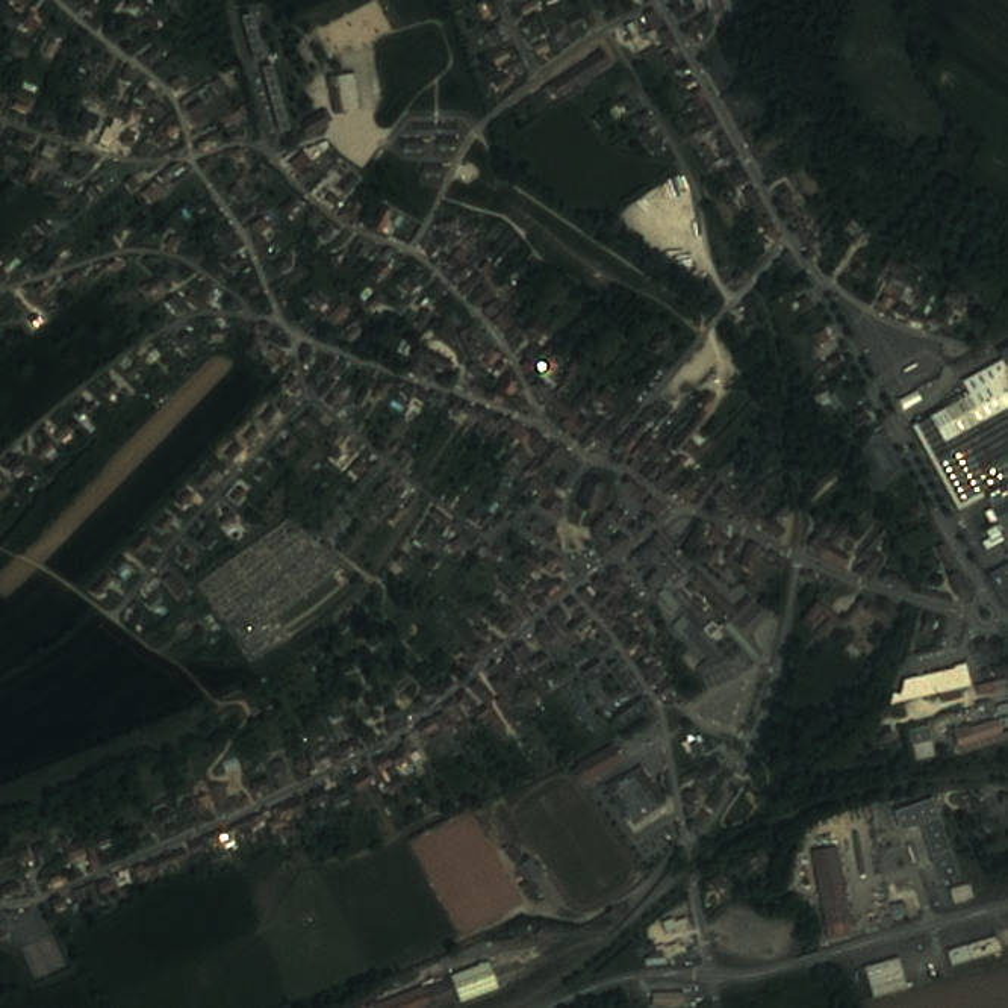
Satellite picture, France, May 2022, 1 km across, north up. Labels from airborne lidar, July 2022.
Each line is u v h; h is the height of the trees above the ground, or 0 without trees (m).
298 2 0
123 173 0
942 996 0
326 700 9
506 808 0
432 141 0
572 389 0
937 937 0
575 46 0
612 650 0
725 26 10
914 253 14
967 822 15
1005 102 0
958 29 0
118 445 8
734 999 0
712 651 0
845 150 9
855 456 22
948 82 0
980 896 0
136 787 25
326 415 0
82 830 9
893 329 0
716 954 0
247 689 10
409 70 0
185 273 6
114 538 0
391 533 0
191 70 0
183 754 15
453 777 0
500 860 0
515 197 0
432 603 6
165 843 0
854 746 0
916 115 0
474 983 0
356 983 13
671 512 0
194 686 0
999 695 0
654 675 0
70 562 0
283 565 0
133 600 0
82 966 6
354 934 0
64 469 5
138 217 9
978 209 8
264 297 9
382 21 0
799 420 21
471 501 0
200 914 0
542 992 0
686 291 30
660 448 0
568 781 0
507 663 0
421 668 11
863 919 0
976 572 0
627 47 0
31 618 0
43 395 0
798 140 9
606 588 0
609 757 0
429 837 0
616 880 0
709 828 0
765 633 0
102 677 0
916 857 0
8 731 0
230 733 13
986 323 11
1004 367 0
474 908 0
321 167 0
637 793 0
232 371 0
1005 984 0
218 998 0
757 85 17
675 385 0
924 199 13
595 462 0
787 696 27
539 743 0
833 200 13
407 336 23
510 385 0
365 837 0
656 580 0
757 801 30
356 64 0
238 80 12
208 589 0
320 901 0
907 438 0
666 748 0
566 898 0
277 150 0
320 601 0
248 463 0
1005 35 0
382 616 18
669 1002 0
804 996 0
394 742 0
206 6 12
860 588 0
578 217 11
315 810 9
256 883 0
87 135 0
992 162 0
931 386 0
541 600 0
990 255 16
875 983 0
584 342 23
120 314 7
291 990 0
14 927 0
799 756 22
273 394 8
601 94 0
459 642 0
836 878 0
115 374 0
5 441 9
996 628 0
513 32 0
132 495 0
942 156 14
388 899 0
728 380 0
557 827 0
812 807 9
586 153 0
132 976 0
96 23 0
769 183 7
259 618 0
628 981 0
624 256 17
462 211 6
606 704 0
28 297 0
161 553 0
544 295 12
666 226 0
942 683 0
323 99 0
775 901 14
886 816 0
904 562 13
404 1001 0
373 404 0
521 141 0
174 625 0
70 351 11
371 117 0
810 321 8
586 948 0
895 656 16
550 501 0
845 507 7
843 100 19
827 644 14
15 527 7
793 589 0
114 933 0
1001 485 0
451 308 0
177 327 0
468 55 6
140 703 0
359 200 9
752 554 0
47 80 8
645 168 0
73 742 0
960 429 0
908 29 9
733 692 0
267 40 13
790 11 17
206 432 0
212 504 0
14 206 0
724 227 0
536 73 0
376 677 22
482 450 7
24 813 17
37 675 0
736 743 0
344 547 10
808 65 12
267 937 0
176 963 0
